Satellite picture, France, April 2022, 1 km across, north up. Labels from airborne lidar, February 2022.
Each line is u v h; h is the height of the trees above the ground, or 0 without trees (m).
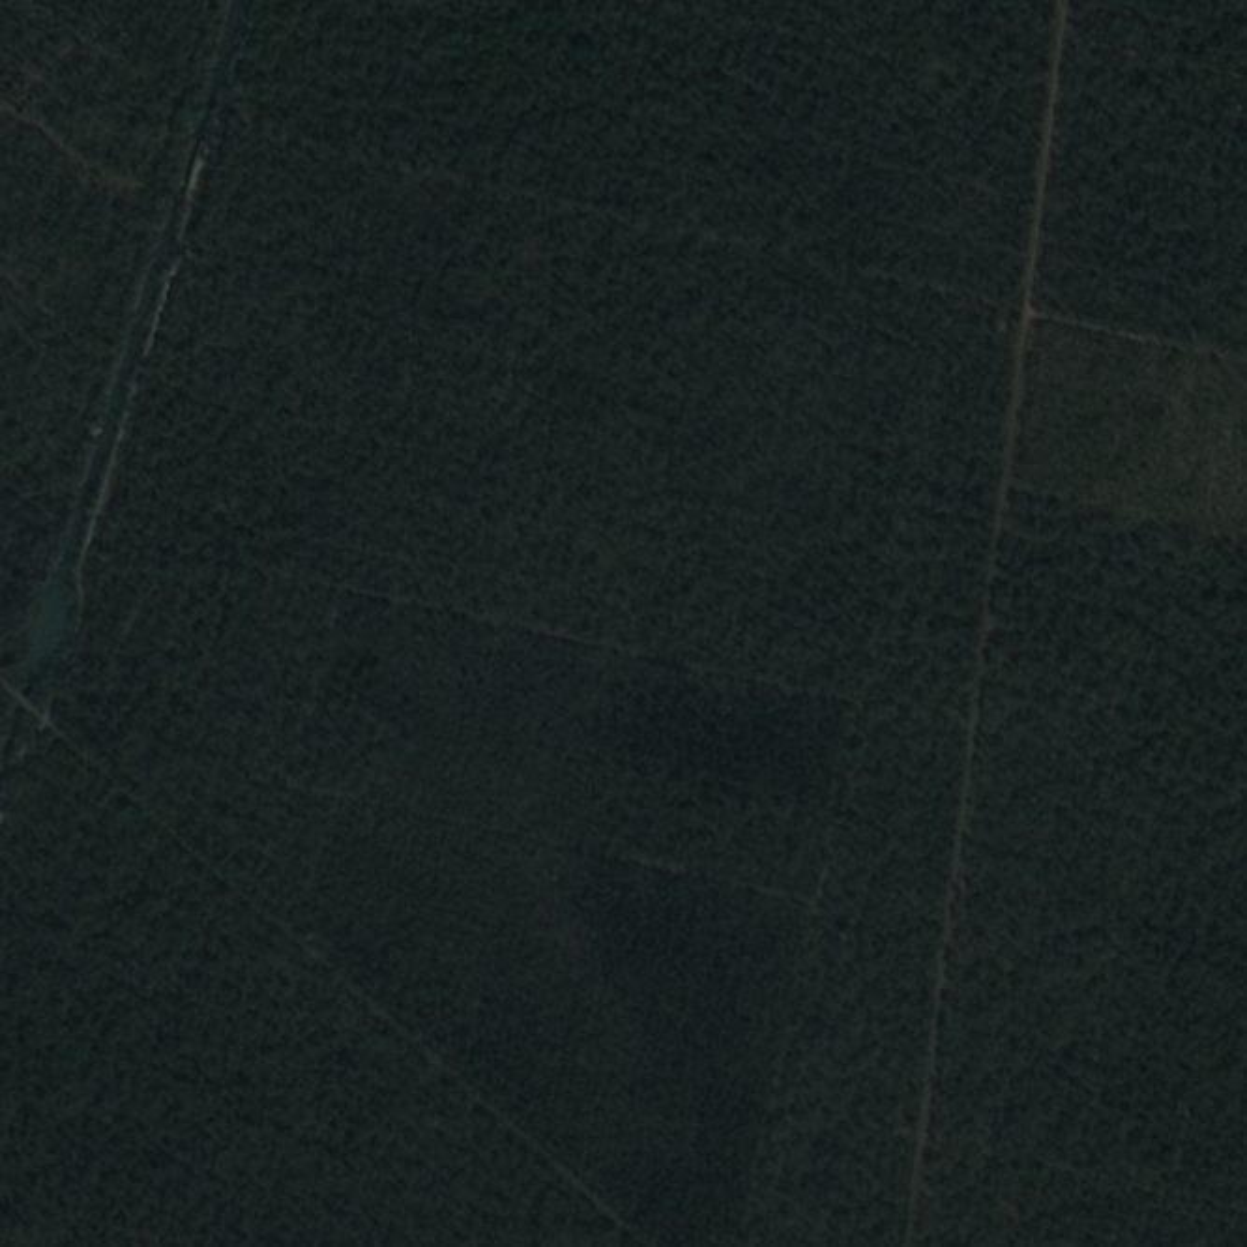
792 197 13
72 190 16
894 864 14
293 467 16
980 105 15
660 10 11
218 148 11
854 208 11
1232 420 0
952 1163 16
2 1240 12
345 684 13
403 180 18
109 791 17
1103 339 12
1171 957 15
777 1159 17
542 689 9
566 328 19
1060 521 16
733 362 15
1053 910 14
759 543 14
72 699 13
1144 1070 12
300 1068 18
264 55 19
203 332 17
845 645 16
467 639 7
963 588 22
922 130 15
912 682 18
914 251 16
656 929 16
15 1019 16
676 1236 12
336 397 11
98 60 17
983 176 17
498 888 8
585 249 14
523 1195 18
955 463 19
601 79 17
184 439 14
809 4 14
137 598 15
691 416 14
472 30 19
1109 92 10
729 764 15
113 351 8
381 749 14
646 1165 10
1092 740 17
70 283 13
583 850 7
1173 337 12
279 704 20
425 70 18
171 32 8
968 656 18
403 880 7
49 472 16
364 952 13
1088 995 16
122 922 16
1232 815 18
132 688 18
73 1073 13
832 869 18
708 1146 11
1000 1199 18
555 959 7
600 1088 8
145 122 16
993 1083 13
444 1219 17
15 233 12
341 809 10
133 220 11
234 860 15
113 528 12
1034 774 17
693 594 15
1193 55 18
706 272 16
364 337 12
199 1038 20
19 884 14
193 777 17
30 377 13
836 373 16
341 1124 18
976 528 18
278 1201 14
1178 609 8
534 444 13
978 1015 18
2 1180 14
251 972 17
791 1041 9
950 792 8
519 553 14
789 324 18
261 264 12
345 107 13
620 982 10
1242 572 6
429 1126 18
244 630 9
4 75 8
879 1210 14
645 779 16
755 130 14
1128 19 16
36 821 16
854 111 12
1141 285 13
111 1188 17
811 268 14
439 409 12
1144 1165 16
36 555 18
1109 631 22
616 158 15
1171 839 16
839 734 16
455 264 12
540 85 20
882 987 14
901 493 16
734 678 8
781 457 13
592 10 18
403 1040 16
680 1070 12
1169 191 9
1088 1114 16
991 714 18
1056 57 0
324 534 8
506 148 8
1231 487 0
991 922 20
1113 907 13
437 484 10
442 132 18
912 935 17
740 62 14
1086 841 17
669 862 15
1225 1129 11
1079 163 17
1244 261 21
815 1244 15
